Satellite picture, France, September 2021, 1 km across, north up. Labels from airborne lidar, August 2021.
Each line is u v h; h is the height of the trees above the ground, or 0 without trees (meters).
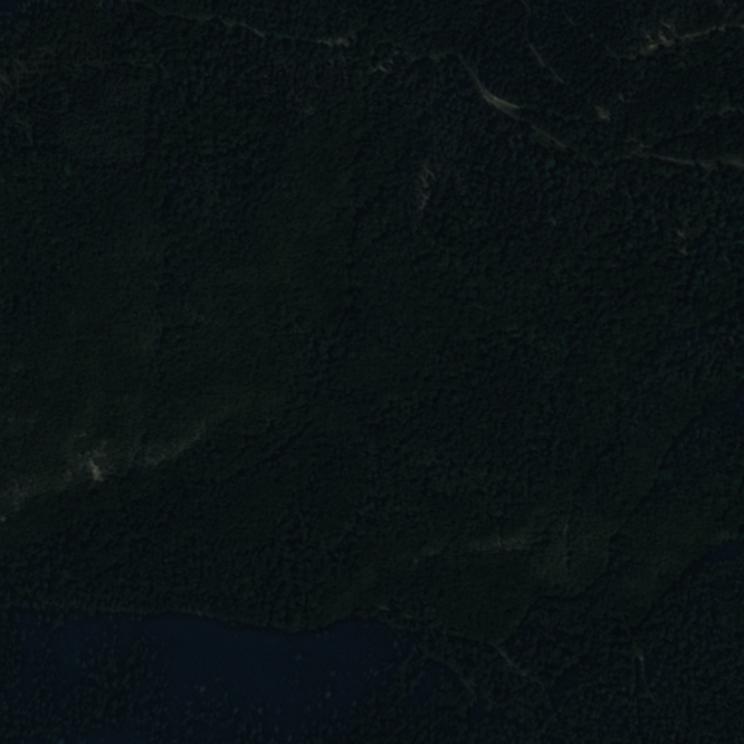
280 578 25
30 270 26
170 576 20
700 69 16
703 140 23
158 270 25
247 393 19
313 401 27
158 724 19
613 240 19
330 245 26
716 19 16
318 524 27
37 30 11
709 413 17
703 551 21
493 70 21
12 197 21
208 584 23
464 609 23
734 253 18
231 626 17
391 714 26
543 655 19
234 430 27
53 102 16
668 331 23
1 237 26
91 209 25
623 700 25
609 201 19
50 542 24
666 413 23
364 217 25
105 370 19
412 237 21
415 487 28
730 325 14
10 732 31
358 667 26
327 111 17
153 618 12
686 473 28
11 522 23
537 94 16
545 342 20
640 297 25
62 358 17
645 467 18
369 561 18
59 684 28
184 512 21
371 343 22
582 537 12
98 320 18
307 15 16
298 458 26
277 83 20
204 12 8
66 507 26
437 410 27
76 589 23
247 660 20
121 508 16
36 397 20
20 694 25
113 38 12
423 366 28
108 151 17
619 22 13
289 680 18
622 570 25
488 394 24
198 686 23
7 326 21
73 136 16
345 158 23
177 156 18
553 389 25
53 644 22
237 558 21
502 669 26
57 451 14
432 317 27
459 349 31
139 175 17
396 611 20
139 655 22
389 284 20
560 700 26
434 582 26
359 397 23
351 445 23
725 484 29
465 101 10
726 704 23
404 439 19
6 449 23
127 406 17
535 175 29
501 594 21
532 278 28
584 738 23
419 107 22
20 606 23
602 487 18
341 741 19
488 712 22
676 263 23
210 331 20
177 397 24
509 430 33
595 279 28
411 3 20
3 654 26
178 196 26
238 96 20
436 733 19
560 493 22
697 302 27
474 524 20
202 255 22
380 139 27
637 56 10
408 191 28
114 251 23
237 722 14
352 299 26
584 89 19
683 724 20
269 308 27
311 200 18
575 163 13
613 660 15
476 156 25
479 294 21
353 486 29
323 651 10
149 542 21
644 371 32
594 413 25
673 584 23
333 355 39
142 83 7
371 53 27
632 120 21
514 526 21
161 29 20
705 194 30
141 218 21
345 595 14
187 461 26
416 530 25
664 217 20
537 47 8
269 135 22
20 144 20
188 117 26
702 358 28
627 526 20
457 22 26
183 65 20
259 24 21
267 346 19
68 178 22
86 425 9
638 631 13
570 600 20
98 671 22
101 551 23
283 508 24
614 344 33
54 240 26
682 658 23
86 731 25
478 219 10
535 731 17
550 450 35
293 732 27
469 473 24
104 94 13
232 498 26
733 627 22
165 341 25
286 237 20
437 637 8
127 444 13
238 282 24
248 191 25
